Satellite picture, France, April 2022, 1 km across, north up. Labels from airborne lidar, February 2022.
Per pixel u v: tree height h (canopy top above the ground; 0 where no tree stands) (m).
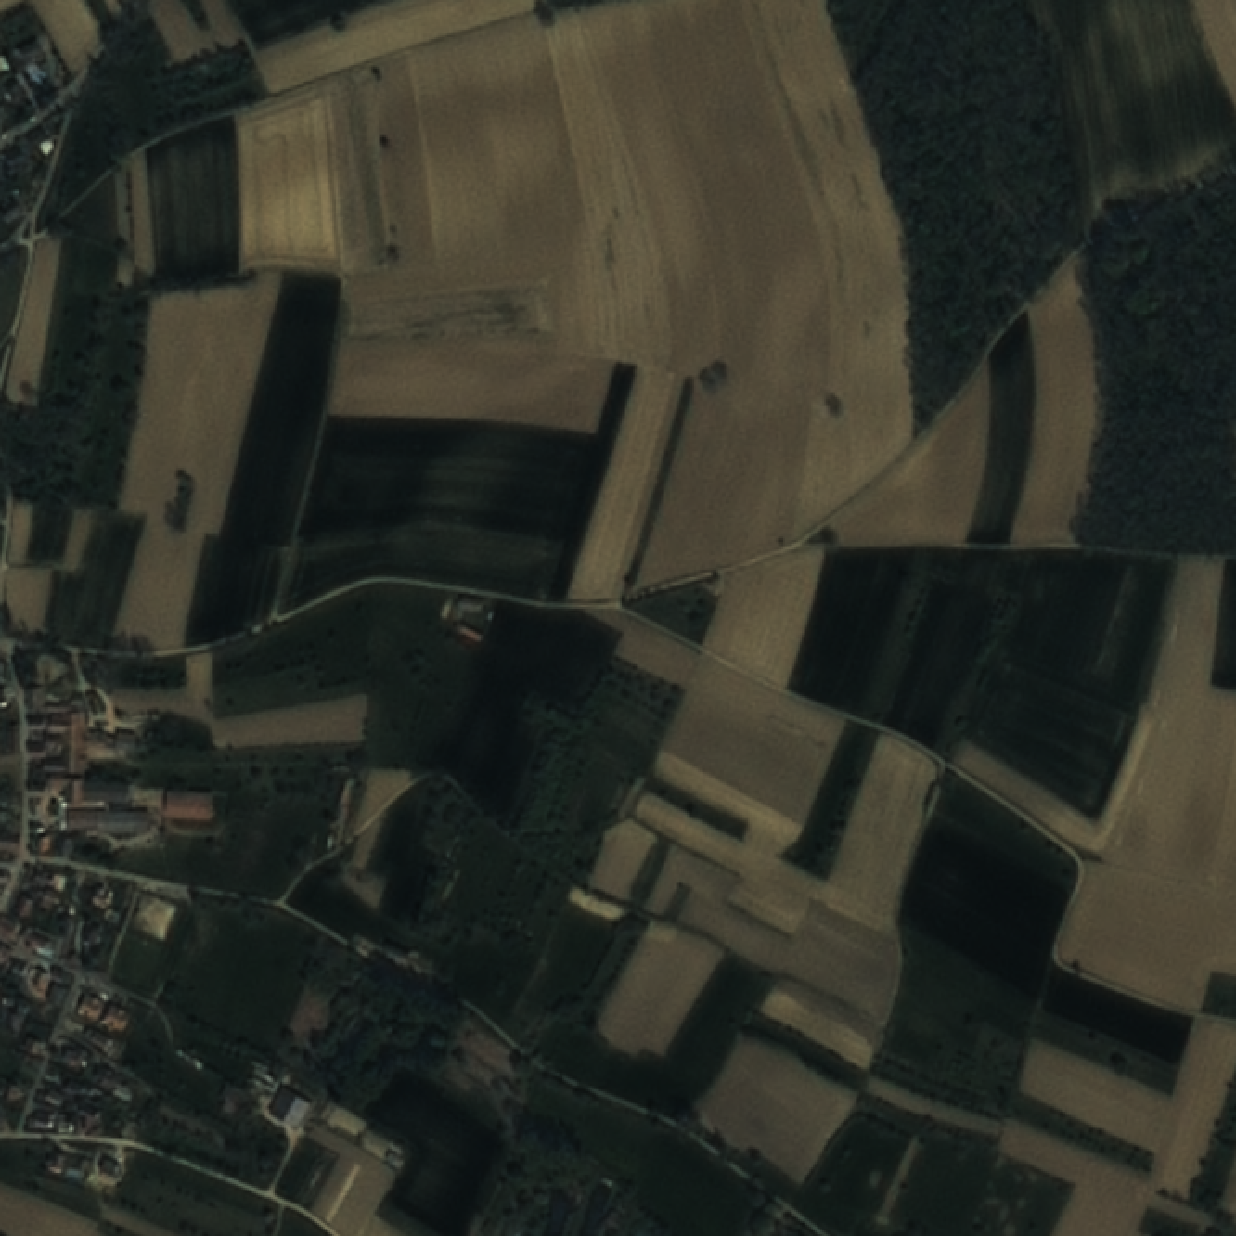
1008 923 0
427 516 0
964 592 0
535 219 0
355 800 0
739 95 0
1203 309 30
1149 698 0
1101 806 0
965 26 25
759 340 0
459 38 0
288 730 0
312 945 12
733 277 0
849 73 0
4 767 0
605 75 0
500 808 0
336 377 0
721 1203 0
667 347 0
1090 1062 0
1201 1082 0
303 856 12
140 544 0
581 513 0
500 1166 0
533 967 0
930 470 0
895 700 0
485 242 0
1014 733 0
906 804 0
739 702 0
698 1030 0
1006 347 0
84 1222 0
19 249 10
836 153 0
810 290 0
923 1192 0
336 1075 9
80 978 0
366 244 0
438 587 0
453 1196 0
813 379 0
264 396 0
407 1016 14
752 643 0
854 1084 0
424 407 0
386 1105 0
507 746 0
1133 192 0
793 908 0
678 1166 0
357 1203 0
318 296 0
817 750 0
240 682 0
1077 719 0
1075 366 0
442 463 0
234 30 0
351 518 0
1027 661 0
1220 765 0
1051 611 0
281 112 0
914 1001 0
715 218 0
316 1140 0
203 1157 8
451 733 0
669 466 0
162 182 0
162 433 0
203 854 0
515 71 0
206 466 0
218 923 0
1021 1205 0
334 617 0
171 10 0
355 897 0
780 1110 0
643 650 0
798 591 0
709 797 0
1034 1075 0
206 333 0
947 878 0
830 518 0
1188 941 0
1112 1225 0
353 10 0
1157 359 28
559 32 0
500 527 0
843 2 20
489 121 0
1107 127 0
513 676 0
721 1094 0
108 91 15
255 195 0
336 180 0
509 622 0
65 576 0
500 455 0
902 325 0
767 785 0
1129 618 0
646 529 0
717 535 0
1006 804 0
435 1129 0
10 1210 0
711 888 0
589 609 0
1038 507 0
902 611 0
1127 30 0
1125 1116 0
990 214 31
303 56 0
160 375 0
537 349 0
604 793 0
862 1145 0
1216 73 0
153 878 0
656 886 0
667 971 0
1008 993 0
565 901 0
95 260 0
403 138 0
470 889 0
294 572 0
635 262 0
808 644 0
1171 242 31
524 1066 15
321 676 0
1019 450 0
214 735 0
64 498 11
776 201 0
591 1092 9
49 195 0
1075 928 0
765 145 0
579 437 0
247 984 0
